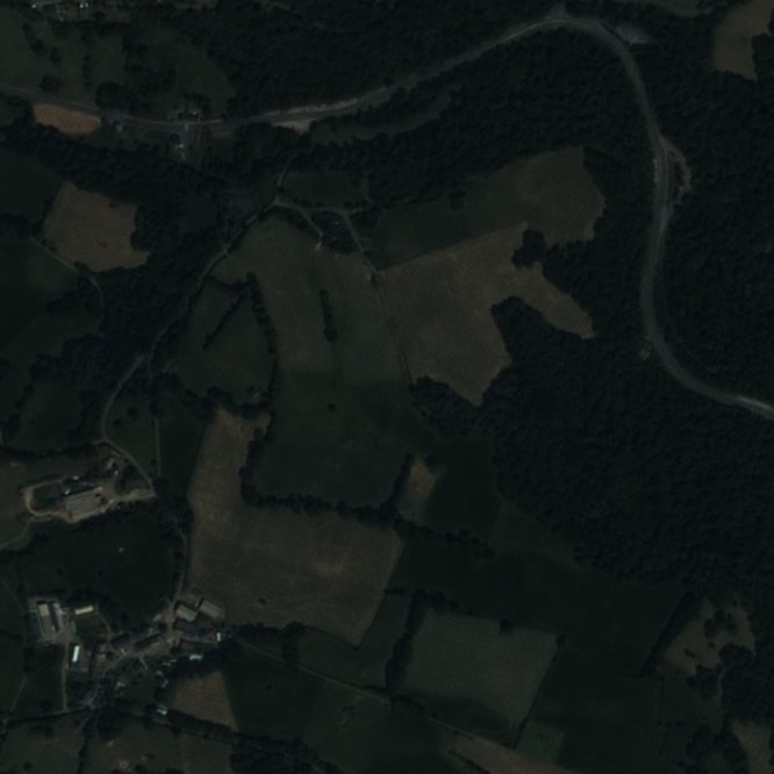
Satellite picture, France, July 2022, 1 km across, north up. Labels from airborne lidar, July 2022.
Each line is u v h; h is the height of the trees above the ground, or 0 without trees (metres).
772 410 0
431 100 19
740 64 0
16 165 0
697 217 13
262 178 17
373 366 0
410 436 0
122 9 9
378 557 0
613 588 0
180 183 21
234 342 0
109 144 0
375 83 8
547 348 21
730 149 23
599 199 0
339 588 0
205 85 0
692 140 17
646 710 0
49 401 0
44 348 0
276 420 9
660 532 23
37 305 0
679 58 8
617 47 0
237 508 0
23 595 11
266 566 0
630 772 0
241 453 0
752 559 14
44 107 0
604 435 14
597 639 0
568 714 0
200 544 0
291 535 0
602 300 22
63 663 0
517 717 0
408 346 0
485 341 0
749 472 15
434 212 0
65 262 0
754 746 0
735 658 20
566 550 0
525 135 16
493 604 0
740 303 24
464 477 0
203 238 17
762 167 9
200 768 0
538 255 17
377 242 0
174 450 0
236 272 0
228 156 0
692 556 21
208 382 0
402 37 11
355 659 0
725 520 20
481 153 15
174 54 0
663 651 7
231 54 6
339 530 0
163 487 21
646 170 8
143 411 0
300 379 0
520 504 6
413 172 12
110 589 0
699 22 16
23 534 0
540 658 0
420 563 0
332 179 0
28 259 0
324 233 8
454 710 0
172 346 8
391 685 19
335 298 0
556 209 0
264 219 12
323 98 13
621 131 7
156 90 11
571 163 0
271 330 15
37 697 0
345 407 0
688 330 13
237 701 0
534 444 17
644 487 23
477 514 0
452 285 0
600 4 7
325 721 0
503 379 17
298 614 0
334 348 0
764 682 23
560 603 0
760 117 18
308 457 0
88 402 12
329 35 9
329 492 0
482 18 9
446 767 0
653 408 21
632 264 8
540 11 12
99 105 12
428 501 0
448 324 0
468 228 0
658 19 7
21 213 0
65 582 0
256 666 0
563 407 14
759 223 14
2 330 0
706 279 26
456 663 0
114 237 0
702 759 17
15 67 0
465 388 0
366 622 0
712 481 18
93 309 18
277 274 0
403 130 0
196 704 0
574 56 19
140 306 22
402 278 0
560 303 0
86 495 0
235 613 0
